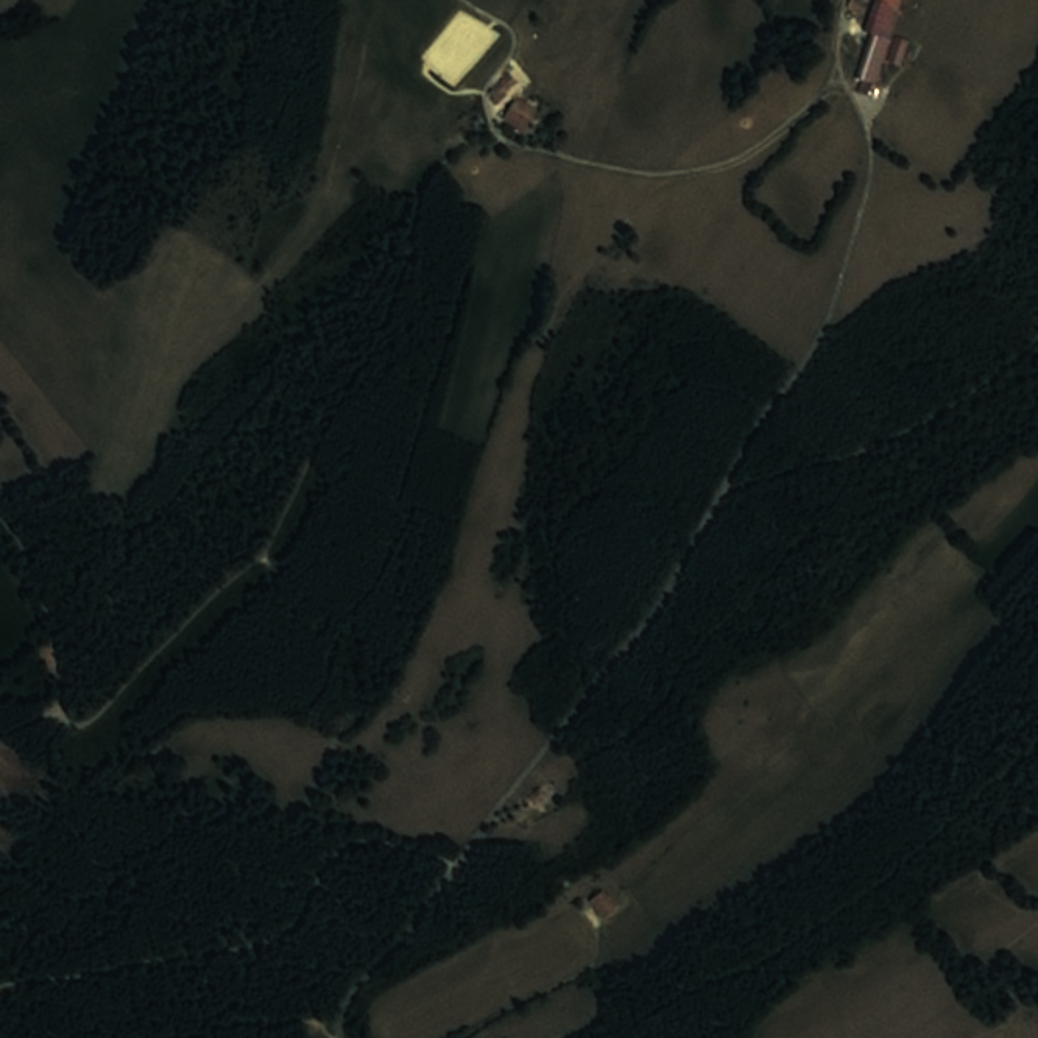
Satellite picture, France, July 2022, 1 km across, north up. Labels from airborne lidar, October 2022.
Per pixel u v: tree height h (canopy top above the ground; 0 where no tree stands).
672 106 0
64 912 20
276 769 0
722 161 0
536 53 0
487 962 0
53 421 0
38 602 18
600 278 0
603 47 0
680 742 24
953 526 22
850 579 25
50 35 0
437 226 23
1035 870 0
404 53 0
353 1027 17
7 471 0
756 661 6
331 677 20
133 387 0
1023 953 0
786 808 0
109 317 0
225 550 11
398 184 0
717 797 0
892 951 0
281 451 16
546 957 0
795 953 17
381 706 16
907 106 0
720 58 0
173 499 19
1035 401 8
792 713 0
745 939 19
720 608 14
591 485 8
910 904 19
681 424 17
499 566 11
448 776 0
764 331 0
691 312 16
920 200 0
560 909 0
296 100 21
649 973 19
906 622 0
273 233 0
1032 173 7
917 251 0
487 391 0
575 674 10
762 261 0
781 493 18
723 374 17
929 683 0
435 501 15
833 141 0
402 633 24
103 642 25
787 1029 0
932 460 17
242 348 6
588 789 9
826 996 0
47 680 6
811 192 0
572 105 0
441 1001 0
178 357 0
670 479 19
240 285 0
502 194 0
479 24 0
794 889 17
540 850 7
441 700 13
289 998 26
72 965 21
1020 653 18
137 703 7
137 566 21
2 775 0
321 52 22
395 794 0
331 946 25
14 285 0
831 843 19
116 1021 25
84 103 0
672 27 0
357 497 20
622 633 17
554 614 18
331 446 22
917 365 14
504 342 0
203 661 23
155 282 0
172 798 9
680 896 0
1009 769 9
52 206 0
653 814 21
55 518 15
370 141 0
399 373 21
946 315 12
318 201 0
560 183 0
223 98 18
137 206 27
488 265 0
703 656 15
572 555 18
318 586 20
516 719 0
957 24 0
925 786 14
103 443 0
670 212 0
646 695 20
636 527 18
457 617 0
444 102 0
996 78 0
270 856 20
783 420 17
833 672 0
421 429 9
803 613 18
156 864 24
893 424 12
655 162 0
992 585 19
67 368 0
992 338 6
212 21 11
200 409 12
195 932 24
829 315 0
